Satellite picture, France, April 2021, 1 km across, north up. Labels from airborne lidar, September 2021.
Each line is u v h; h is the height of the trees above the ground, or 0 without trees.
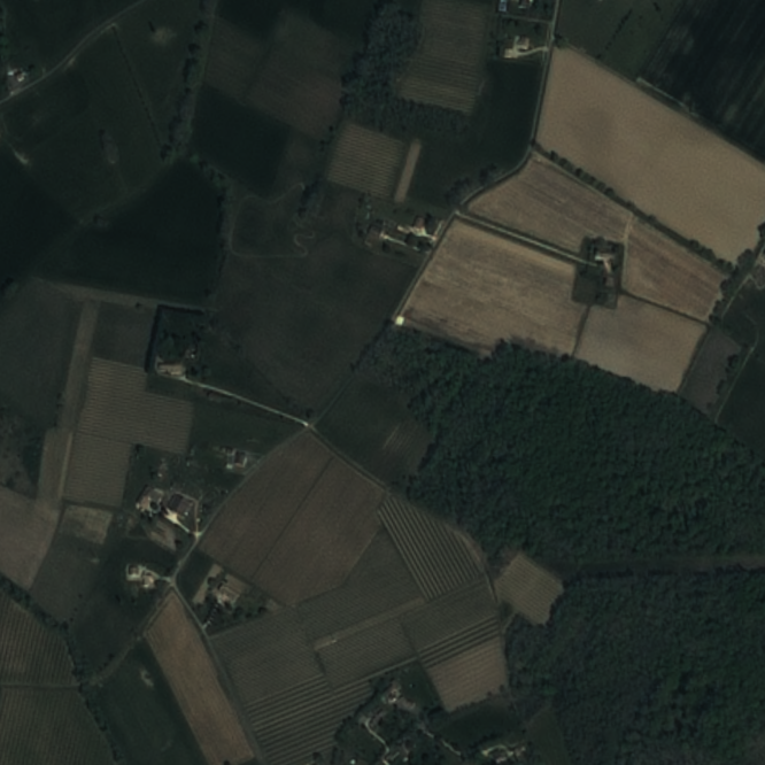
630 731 14
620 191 0
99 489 0
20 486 0
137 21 0
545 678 21
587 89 0
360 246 0
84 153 0
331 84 0
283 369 0
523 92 0
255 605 0
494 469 20
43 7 0
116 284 0
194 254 0
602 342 0
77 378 0
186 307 0
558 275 0
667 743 20
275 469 0
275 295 0
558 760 0
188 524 0
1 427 8
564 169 10
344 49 0
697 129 0
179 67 0
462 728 0
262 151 0
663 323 0
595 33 0
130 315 0
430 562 0
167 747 0
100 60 0
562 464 16
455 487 11
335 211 0
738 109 0
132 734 0
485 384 20
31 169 0
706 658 20
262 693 0
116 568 0
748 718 20
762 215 0
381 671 0
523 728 15
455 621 0
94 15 0
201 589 0
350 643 0
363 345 0
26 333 0
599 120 0
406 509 0
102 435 0
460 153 0
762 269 0
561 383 16
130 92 0
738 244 0
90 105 0
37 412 0
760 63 0
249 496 0
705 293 0
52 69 0
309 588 0
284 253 0
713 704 19
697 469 20
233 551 0
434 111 13
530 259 0
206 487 0
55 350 0
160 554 0
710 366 0
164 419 0
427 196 0
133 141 0
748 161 0
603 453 18
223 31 0
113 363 0
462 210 17
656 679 23
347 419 0
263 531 0
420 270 0
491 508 20
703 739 17
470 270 0
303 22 0
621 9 0
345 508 0
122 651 0
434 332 0
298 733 0
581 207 0
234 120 0
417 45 12
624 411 16
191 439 0
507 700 10
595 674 19
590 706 11
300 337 0
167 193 0
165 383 0
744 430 0
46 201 0
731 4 0
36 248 0
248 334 0
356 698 0
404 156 0
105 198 0
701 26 0
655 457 19
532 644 18
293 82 0
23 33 0
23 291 0
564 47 10
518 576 0
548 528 20
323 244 0
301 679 0
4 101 0
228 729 0
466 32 0
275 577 0
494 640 0
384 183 0
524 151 0
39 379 0
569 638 21
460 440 20
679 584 16
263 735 0
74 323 0
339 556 0
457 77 0
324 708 0
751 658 20
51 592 0
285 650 0
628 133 0
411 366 18
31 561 0
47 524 0
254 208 0
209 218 0
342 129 0
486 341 0
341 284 0
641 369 0
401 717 7
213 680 0
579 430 14
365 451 0
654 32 0
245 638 0
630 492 24
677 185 0
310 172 0
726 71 0
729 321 0
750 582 22
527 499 17
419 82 0
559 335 0
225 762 0
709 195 0
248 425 0
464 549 0
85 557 0
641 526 20
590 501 21
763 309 0
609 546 14
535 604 0
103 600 0
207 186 0
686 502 24
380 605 0
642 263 0
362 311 0
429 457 9
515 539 19
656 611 19
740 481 18
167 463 0
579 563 11
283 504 0
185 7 0
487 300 0
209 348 0
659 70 0
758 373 0
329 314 0
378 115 17
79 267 0
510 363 21
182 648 0
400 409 0
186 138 15
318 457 0
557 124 0
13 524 0
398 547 0
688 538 18
